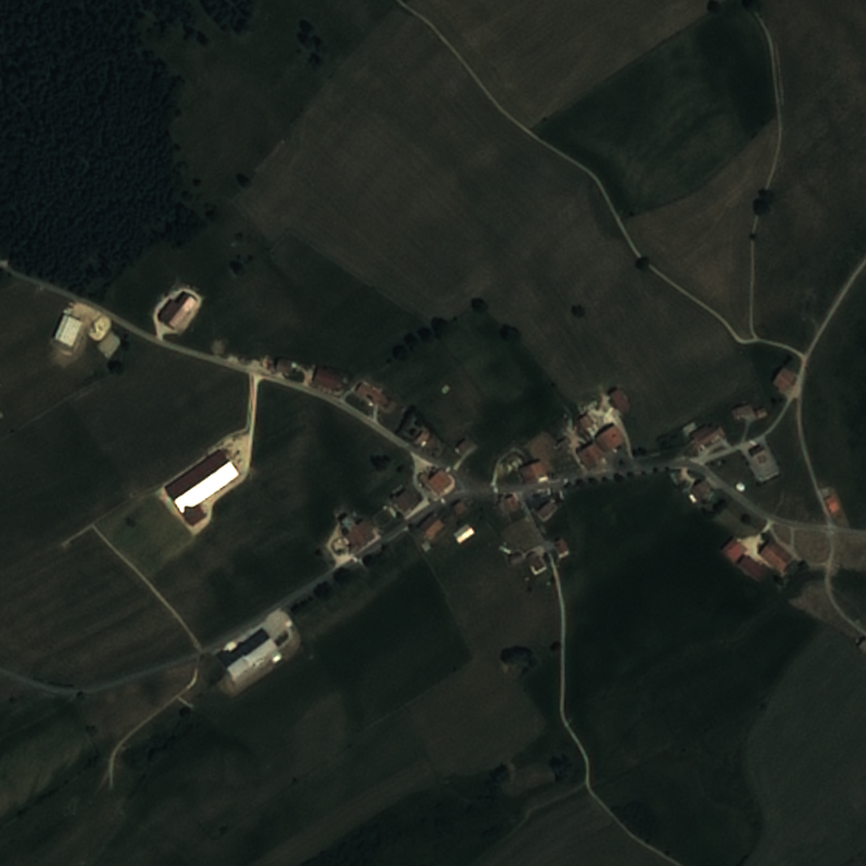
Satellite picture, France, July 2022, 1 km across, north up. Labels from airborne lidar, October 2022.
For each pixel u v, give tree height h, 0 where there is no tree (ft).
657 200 0
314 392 0
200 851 0
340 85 0
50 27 105
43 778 0
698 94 0
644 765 0
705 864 0
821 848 0
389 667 0
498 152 0
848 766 0
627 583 0
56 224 59
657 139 0
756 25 0
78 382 0
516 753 0
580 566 0
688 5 0
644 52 0
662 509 0
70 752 0
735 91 0
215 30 0
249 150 0
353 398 0
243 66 0
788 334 0
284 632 0
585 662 0
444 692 0
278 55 0
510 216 0
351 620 0
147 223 87
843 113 0
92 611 0
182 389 0
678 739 0
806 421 0
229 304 0
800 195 0
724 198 0
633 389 0
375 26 0
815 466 0
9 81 92
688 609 0
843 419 0
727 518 0
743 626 0
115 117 76
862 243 0
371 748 0
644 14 0
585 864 0
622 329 0
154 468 0
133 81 77
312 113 0
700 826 0
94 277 84
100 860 0
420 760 0
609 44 0
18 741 0
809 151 0
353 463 0
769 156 0
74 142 95
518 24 0
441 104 0
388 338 0
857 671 0
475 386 0
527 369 0
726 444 0
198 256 0
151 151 83
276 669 0
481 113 0
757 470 0
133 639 0
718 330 0
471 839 0
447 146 0
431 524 0
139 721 0
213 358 0
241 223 0
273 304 0
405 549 0
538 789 0
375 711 0
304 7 0
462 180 0
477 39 0
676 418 0
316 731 0
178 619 0
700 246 0
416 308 0
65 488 0
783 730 0
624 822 22
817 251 0
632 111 0
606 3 0
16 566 0
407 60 0
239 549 0
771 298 0
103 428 0
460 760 0
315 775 0
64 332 0
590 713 0
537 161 0
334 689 0
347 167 0
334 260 0
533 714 0
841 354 0
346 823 0
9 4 85
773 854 0
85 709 0
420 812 0
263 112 0
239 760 0
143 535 0
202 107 0
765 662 0
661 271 0
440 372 0
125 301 0
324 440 0
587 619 0
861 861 0
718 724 0
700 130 0
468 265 0
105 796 0
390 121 0
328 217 0
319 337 0
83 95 71
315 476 0
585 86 0
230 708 0
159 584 0
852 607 0
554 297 0
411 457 0
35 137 83
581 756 0
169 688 0
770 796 0
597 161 0
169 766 0
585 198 0
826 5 0
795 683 0
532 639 0
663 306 0
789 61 0
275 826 0
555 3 0
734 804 0
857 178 0
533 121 0
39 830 0
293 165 0
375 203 0
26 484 0
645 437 0
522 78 0
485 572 0
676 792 0
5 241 78
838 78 0
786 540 0
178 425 0
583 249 0
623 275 0
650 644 0
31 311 0
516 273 0
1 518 0
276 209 0
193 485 0
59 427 0
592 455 0
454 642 0
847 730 0
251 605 0
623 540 0
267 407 0
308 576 0
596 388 0
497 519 0
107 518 0
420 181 0
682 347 0
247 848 0
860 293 0
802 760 0
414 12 0
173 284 0
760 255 0
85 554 0
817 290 0
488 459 0
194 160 0
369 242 0
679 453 0
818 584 0
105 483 0
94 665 0
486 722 0
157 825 0
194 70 0
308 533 0
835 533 0
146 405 0
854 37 0
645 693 0
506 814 0
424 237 0
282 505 0
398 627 0
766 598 0
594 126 0
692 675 0
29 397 0
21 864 0
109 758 0
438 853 0
